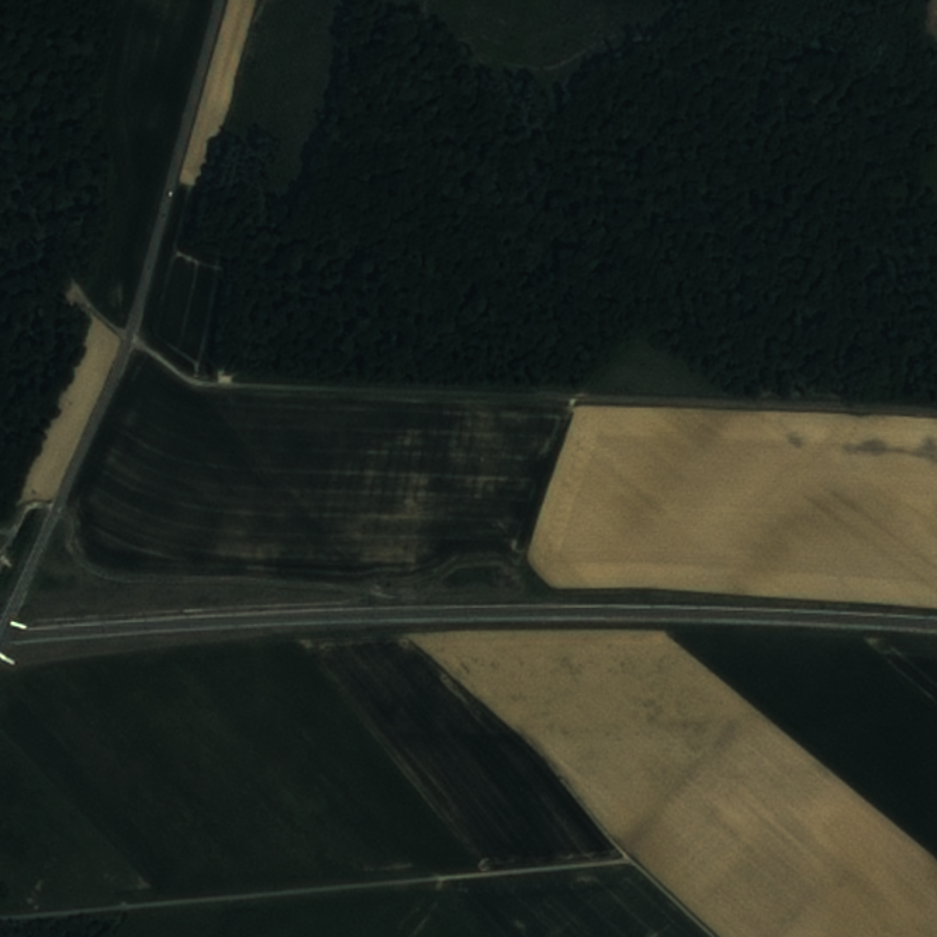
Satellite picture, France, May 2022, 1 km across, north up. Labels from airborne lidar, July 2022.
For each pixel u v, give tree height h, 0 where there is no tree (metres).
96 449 0
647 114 29
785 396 26
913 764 0
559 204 26
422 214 27
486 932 0
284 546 0
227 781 0
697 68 16
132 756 0
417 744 0
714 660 0
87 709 0
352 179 26
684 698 0
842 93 23
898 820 0
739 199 26
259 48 0
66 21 28
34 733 0
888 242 26
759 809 0
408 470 0
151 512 0
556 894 0
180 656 0
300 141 0
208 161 11
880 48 28
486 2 0
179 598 0
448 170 30
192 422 0
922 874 0
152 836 0
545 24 0
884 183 27
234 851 0
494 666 0
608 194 27
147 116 0
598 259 26
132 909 0
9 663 0
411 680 0
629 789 0
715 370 21
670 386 0
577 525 0
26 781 0
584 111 20
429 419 0
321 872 0
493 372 9
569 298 27
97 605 0
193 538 0
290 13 0
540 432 0
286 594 0
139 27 0
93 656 0
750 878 0
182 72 0
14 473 23
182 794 0
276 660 0
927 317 26
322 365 27
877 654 0
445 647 0
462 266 25
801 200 26
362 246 17
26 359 26
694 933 0
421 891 0
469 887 0
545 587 0
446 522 0
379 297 29
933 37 0
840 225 26
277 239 23
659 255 26
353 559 0
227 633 0
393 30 29
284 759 0
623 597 0
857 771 0
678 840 0
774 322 27
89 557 0
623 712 0
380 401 0
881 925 0
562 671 0
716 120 26
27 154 22
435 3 0
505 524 0
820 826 0
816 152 28
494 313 26
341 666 0
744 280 28
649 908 0
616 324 23
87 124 18
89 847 0
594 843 0
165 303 0
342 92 27
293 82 0
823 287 26
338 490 0
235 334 22
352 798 0
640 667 0
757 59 24
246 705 0
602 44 0
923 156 7
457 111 28
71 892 0
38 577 0
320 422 0
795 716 0
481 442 0
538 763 0
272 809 0
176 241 0
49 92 29
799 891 0
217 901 0
